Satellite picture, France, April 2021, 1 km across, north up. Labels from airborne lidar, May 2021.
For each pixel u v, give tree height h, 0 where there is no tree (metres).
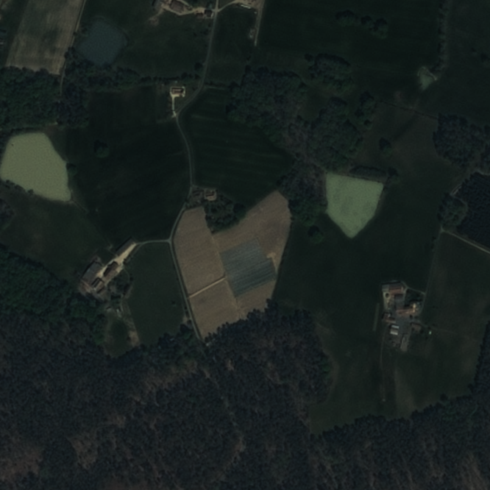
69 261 0
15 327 24
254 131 0
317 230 15
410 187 0
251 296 0
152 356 16
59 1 0
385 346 0
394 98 0
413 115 0
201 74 12
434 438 22
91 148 0
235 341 25
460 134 24
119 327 0
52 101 16
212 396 22
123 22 0
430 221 0
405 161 0
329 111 15
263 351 13
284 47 0
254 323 26
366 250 0
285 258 6
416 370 0
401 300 0
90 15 0
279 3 0
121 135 0
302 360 23
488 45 0
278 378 21
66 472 20
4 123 18
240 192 0
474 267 0
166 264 0
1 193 0
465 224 9
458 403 15
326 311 0
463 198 8
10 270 23
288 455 14
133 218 0
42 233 0
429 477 22
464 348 0
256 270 0
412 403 0
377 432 23
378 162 0
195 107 0
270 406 21
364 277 0
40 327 28
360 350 0
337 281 0
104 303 15
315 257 0
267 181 0
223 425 24
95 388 22
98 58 0
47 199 0
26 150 0
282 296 0
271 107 19
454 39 0
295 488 24
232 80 0
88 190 0
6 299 26
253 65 0
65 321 23
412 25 0
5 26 0
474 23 0
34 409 23
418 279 0
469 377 0
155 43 0
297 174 9
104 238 0
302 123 15
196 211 0
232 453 23
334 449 26
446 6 18
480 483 15
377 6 0
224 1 0
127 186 0
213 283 0
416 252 0
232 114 19
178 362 25
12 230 0
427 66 0
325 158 23
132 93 0
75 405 24
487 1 0
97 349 29
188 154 0
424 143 0
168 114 12
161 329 0
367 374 0
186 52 0
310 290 0
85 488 16
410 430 21
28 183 0
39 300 27
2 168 0
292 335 21
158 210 0
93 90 11
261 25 0
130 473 27
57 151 0
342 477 12
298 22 0
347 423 0
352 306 0
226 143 0
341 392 0
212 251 0
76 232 0
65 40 0
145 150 0
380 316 0
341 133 24
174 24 0
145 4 0
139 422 26
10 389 16
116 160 0
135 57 0
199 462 26
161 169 0
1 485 14
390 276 0
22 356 23
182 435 29
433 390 0
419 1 0
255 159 0
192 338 20
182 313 0
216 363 29
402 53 0
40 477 17
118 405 20
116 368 24
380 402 0
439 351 0
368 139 0
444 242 0
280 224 0
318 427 0
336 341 0
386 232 0
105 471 22
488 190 12
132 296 0
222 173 0
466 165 21
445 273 0
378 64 0
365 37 0
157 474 24
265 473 26
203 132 0
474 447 19
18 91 23
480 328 0
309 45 0
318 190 16
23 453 12
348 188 0
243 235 0
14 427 15
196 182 0
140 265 0
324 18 0
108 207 0
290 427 21
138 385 22
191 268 0
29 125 17
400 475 15
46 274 20
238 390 21
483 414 20
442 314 0
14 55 0
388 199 0
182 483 22
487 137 18
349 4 0
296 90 17
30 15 0
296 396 18
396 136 0
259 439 23
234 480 17
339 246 0
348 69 22
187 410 28
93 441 15
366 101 21
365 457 22
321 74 21
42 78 19
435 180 0
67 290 18
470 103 0
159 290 0
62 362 19
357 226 0
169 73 0
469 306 0
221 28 0
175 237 0
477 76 0
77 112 25
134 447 12
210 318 0
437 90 0
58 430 25
